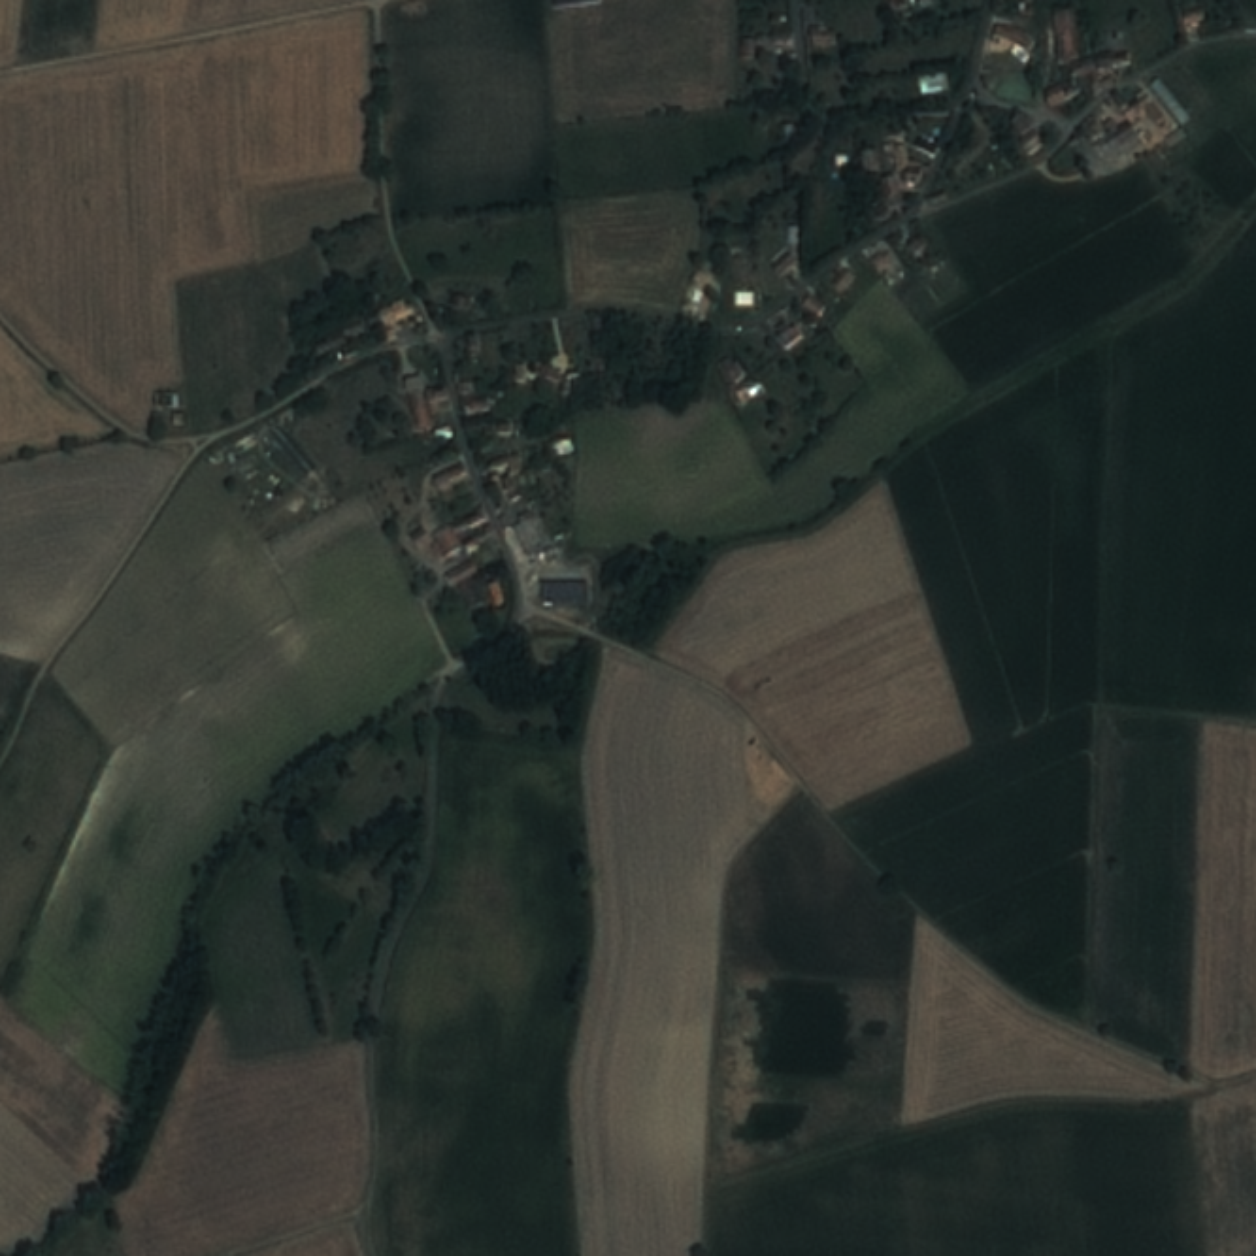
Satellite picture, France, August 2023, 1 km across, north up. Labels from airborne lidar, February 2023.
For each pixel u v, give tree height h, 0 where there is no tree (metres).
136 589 0
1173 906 0
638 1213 0
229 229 0
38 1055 0
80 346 0
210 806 0
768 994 0
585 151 0
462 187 0
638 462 0
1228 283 0
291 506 0
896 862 0
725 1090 0
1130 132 0
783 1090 0
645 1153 0
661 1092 0
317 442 0
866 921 0
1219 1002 0
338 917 0
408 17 0
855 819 0
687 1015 0
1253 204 0
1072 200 0
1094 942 0
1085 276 0
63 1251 0
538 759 0
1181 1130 0
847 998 0
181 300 0
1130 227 0
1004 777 0
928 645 0
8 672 0
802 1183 0
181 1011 7
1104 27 0
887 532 0
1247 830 0
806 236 8
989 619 0
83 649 0
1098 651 0
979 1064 0
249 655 0
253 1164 0
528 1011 0
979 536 0
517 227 0
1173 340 0
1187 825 0
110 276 0
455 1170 0
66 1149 0
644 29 0
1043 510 0
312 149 0
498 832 0
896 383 0
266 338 0
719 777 0
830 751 0
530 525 0
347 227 7
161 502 0
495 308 19
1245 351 0
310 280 0
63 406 0
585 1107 0
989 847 0
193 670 0
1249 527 0
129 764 0
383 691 0
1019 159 7
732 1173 0
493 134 0
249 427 0
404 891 16
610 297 0
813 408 10
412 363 0
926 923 0
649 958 0
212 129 0
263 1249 0
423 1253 0
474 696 0
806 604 0
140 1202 0
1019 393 0
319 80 0
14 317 0
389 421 8
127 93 0
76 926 0
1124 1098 0
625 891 0
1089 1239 0
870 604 0
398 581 0
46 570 0
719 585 0
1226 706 0
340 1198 0
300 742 0
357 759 0
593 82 0
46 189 0
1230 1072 0
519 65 0
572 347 0
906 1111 0
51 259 0
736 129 0
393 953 0
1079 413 0
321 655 0
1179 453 0
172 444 0
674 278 0
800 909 0
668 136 0
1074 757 0
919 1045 0
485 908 0
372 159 10
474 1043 0
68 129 0
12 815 0
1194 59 0
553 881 0
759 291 0
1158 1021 0
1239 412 0
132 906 0
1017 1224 0
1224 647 0
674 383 6
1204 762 0
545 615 0
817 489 0
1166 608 0
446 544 0
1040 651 0
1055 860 0
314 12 0
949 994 0
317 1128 0
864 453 0
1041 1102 0
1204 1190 0
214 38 0
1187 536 0
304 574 0
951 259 0
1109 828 0
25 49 0
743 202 0
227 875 0
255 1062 0
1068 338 0
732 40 0
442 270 12
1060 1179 0
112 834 0
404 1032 0
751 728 0
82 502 0
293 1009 0
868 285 0
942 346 0
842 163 0
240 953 0
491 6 0
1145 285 0
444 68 0
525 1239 0
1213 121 0
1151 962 0
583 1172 0
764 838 0
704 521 0
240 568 0
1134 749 0
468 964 0
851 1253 0
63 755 0
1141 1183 0
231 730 0
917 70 8
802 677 0
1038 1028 0
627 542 0
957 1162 0
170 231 0
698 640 0
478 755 0
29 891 0
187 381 0
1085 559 0
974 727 0
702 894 0
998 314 0
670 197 0
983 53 0
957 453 0
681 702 0
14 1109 0
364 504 0
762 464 0
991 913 0
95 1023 0
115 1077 0
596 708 0
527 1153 0
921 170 0
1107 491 0
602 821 0
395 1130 0
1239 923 0
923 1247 0
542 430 14
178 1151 0
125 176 0
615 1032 0
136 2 0
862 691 0
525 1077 0
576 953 0
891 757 0
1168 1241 0
